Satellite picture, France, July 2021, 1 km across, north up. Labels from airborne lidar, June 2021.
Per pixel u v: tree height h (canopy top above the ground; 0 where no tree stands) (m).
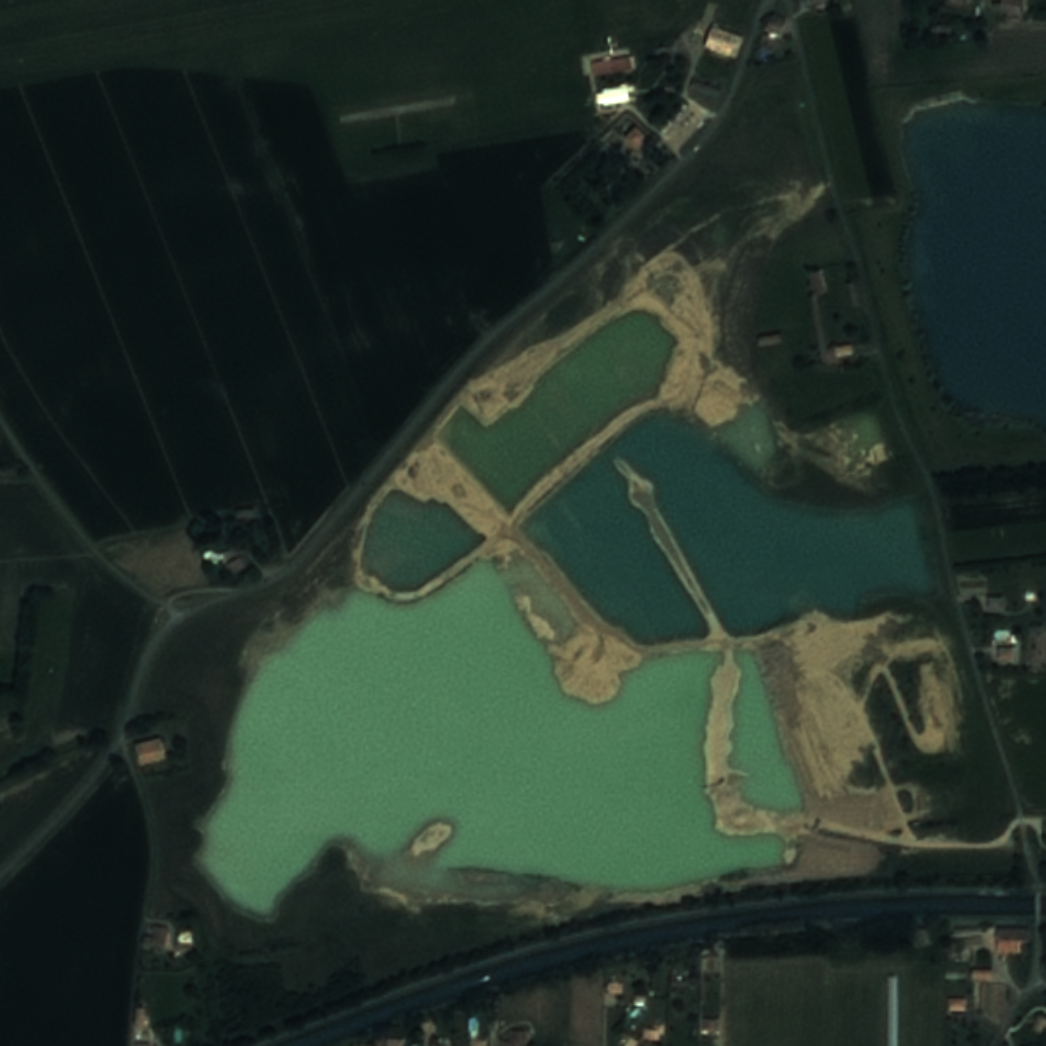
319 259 0
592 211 7
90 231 0
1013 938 0
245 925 0
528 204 0
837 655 0
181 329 0
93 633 0
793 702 0
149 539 0
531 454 0
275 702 0
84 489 0
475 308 0
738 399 0
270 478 0
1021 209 0
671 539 0
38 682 0
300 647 0
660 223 0
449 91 0
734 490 0
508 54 0
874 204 0
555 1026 0
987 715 0
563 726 0
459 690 0
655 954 8
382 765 0
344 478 0
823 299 5
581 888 0
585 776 0
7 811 0
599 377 0
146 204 0
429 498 0
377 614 0
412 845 0
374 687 0
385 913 0
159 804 0
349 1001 9
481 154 0
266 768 0
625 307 0
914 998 0
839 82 0
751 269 0
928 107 0
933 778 0
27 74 0
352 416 0
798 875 0
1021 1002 0
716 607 0
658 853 0
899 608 0
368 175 0
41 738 0
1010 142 0
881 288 0
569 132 0
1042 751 0
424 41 0
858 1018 0
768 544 0
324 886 0
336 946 0
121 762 17
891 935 20
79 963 0
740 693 0
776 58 7
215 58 0
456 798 0
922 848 0
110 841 0
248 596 0
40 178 0
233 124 0
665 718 0
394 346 0
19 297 0
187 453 0
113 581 0
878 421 0
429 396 0
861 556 0
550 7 0
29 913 0
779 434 0
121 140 0
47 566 0
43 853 0
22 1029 0
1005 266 0
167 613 0
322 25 0
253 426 0
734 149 0
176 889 0
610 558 0
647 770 0
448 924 0
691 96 0
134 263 0
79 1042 0
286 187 0
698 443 0
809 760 0
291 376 0
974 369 0
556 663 0
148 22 0
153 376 0
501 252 0
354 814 0
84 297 0
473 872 0
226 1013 7
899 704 0
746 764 0
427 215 0
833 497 0
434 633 0
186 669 0
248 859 0
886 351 0
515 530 0
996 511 0
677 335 0
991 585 0
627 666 0
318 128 0
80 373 0
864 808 0
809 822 0
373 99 0
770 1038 0
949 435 0
